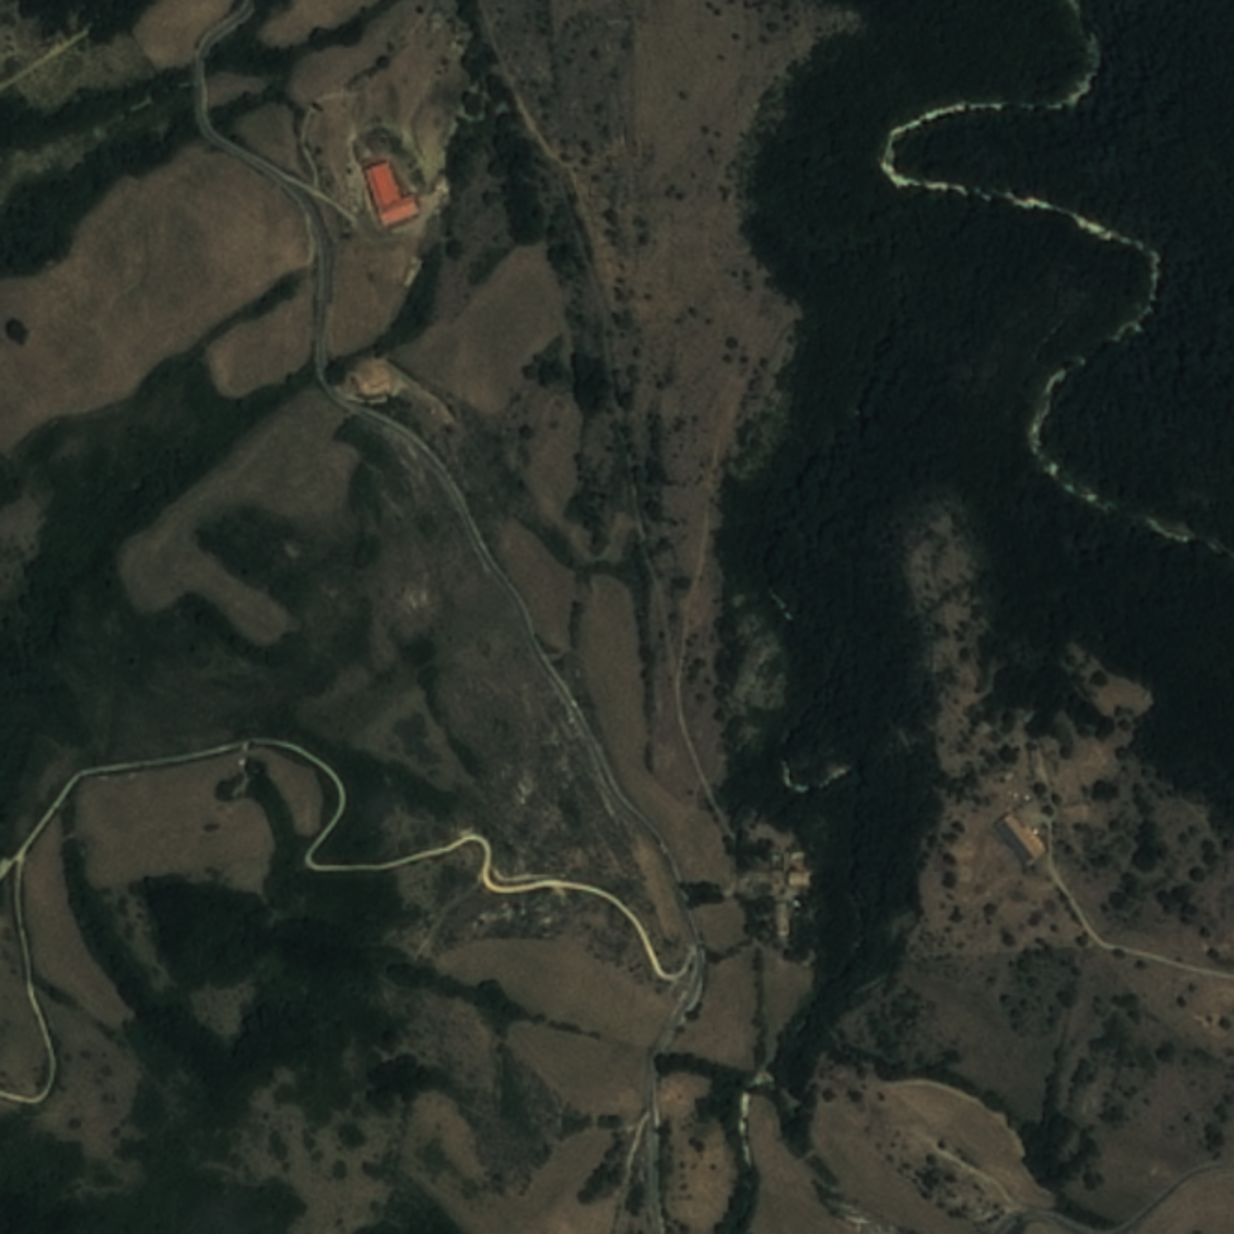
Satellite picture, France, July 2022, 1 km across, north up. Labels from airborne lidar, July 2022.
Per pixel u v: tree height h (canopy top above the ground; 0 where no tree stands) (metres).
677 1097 0
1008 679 12
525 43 0
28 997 0
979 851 0
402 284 0
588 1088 0
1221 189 13
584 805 0
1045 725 10
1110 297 18
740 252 0
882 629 12
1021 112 12
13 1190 7
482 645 0
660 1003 0
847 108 17
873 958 10
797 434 6
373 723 0
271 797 9
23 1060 0
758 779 9
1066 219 27
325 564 0
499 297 0
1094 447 12
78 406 0
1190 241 16
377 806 0
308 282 0
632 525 0
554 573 0
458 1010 0
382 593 0
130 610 0
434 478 0
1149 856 12
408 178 0
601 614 0
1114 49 17
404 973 16
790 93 11
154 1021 13
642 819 0
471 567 0
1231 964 0
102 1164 0
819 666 20
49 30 7
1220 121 13
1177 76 15
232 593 0
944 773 6
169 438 0
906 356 17
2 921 0
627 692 0
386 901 0
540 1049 0
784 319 0
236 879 0
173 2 0
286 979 6
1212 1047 0
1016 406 11
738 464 9
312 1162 0
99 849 0
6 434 0
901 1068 7
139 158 11
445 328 0
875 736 7
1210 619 15
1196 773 7
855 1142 0
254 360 0
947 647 0
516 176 11
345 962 13
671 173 0
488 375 0
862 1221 0
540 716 0
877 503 12
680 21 0
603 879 0
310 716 0
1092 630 10
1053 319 8
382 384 0
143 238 0
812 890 7
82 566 9
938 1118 0
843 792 13
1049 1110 9
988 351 8
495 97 10
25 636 8
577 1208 0
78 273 0
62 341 0
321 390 0
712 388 0
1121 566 20
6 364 0
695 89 0
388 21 0
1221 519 18
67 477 0
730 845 9
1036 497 13
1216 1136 7
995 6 19
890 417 18
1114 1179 0
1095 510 10
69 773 0
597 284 0
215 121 6
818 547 13
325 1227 0
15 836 0
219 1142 0
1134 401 14
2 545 0
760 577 7
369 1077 9
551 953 0
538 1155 7
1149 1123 0
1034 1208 0
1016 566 11
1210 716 21
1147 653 12
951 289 18
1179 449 12
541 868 0
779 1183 0
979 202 19
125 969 10
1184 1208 0
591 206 0
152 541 0
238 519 0
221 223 0
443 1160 0
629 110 0
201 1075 10
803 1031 11
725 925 0
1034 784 7
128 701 0
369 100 0
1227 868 0
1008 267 11
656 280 0
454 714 0
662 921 0
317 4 0
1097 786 10
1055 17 24
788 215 14
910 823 11
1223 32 14
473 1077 0
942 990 0
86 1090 0
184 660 0
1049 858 0
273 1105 0
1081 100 18
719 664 7
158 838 0
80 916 9
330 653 0
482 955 0
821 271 12
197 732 0
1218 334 13
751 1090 9
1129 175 16
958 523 7
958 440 9
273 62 15
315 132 0
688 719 0
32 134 8
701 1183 0
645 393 0
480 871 0
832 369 19
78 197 7
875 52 7
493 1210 0
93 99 11
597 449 0
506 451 0
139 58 0
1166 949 0
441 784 0
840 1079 0
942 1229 0
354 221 0
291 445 0
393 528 0
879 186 21
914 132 7
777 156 17
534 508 0
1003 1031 0
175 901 12
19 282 0
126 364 0
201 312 0
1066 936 0
